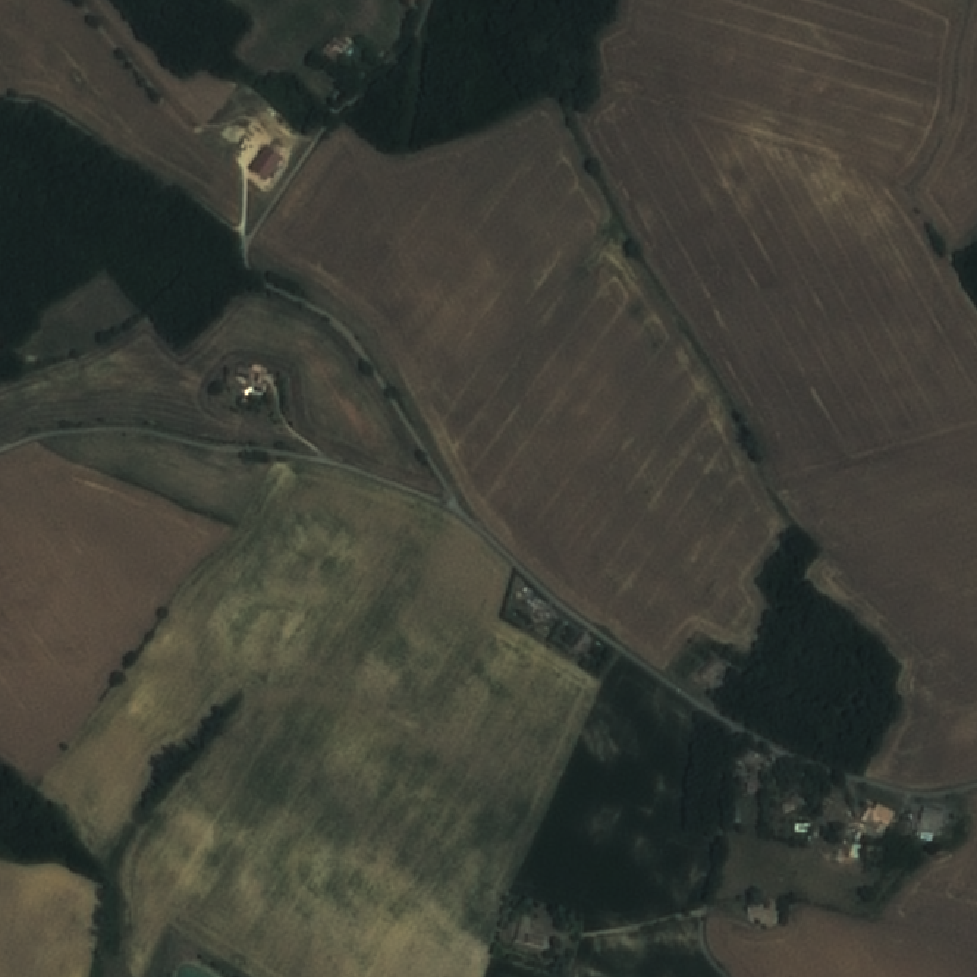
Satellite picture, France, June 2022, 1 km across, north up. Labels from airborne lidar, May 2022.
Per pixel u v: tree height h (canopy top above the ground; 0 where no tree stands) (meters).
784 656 20
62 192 13
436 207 0
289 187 0
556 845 0
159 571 0
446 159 0
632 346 0
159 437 0
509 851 0
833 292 0
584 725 0
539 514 0
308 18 0
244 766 0
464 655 0
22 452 0
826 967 0
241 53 0
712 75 0
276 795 0
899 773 0
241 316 0
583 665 10
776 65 0
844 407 0
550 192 0
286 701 0
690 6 0
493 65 7
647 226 0
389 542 0
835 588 0
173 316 15
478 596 0
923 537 0
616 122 0
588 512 0
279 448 13
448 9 10
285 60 0
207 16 16
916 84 0
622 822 0
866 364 0
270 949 0
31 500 0
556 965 13
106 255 8
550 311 0
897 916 0
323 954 0
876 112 0
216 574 0
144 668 0
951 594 0
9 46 0
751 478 0
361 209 0
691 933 0
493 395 0
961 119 0
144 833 0
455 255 0
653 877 0
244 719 0
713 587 0
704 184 0
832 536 0
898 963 0
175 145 0
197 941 0
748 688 16
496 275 0
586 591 0
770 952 0
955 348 0
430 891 0
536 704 0
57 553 0
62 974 0
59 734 0
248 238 0
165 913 0
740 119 0
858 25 0
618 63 0
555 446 0
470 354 0
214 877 0
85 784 0
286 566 0
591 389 0
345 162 0
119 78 0
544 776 0
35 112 17
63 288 14
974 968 0
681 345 0
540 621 0
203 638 0
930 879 0
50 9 0
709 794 15
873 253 0
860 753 19
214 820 0
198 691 0
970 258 6
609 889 0
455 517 0
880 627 0
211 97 0
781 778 10
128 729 0
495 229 0
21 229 13
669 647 0
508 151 0
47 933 0
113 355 0
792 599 13
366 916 0
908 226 0
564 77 28
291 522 0
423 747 0
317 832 0
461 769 0
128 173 18
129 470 0
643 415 0
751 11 0
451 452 0
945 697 0
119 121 0
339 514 0
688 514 0
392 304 0
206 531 0
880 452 0
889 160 0
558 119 0
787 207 0
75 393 0
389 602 0
